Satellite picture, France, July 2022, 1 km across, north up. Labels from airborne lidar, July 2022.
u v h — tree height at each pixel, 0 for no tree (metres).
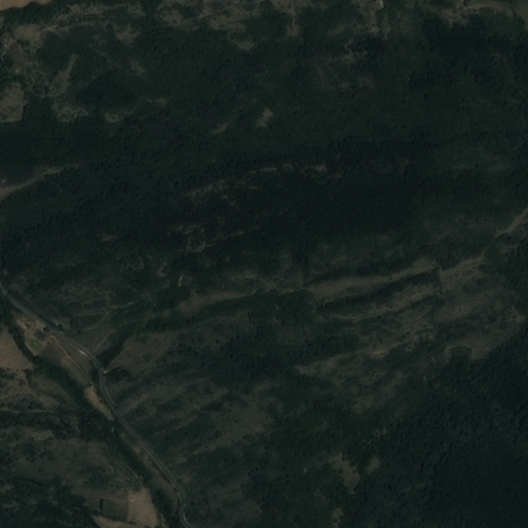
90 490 0
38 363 9
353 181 14
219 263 10
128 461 9
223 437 0
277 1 0
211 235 9
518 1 0
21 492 9
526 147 14
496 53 6
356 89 8
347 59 0
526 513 22
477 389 11
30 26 0
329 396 7
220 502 0
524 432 12
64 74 0
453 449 13
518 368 15
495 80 9
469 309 0
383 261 7
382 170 9
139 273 10
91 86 8
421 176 12
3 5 0
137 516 0
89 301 0
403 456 15
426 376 6
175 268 8
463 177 14
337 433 8
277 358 5
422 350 7
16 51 0
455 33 11
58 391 0
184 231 9
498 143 6
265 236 11
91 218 7
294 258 10
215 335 0
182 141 7
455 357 8
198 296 0
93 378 7
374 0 6
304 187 16
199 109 9
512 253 8
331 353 8
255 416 0
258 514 0
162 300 9
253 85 8
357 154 6
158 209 9
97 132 9
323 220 18
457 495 16
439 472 14
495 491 19
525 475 20
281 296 7
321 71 0
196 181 12
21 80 7
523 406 12
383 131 11
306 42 9
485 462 18
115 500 0
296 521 8
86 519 8
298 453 10
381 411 8
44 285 9
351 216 12
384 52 8
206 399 0
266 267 8
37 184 7
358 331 0
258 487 9
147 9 8
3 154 9
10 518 10
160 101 0
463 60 14
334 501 6
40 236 8
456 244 5
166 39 5
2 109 0
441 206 10
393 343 0
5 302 10
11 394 0
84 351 0
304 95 7
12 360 0
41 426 8
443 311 0
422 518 9
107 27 8
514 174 11
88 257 6
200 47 6
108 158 14
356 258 8
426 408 13
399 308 0
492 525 19
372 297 10
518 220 0
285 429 7
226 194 10
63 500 7
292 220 13
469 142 11
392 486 7
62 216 11
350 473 0
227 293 0
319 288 0
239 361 10
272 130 8
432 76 15
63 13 6
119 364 0
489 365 14
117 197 9
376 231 14
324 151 9
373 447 14
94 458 0
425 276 10
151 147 6
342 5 6
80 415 6
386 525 6
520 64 16
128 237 8
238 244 15
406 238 9
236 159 6
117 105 6
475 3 0
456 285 0
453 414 9
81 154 11
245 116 6
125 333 8
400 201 14
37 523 8
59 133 7
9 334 9
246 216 12
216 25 0
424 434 12
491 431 16
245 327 0
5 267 7
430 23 15
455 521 11
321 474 8
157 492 6
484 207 9
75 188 9
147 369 0
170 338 0
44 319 15
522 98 8
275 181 10
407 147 12
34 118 7
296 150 7
